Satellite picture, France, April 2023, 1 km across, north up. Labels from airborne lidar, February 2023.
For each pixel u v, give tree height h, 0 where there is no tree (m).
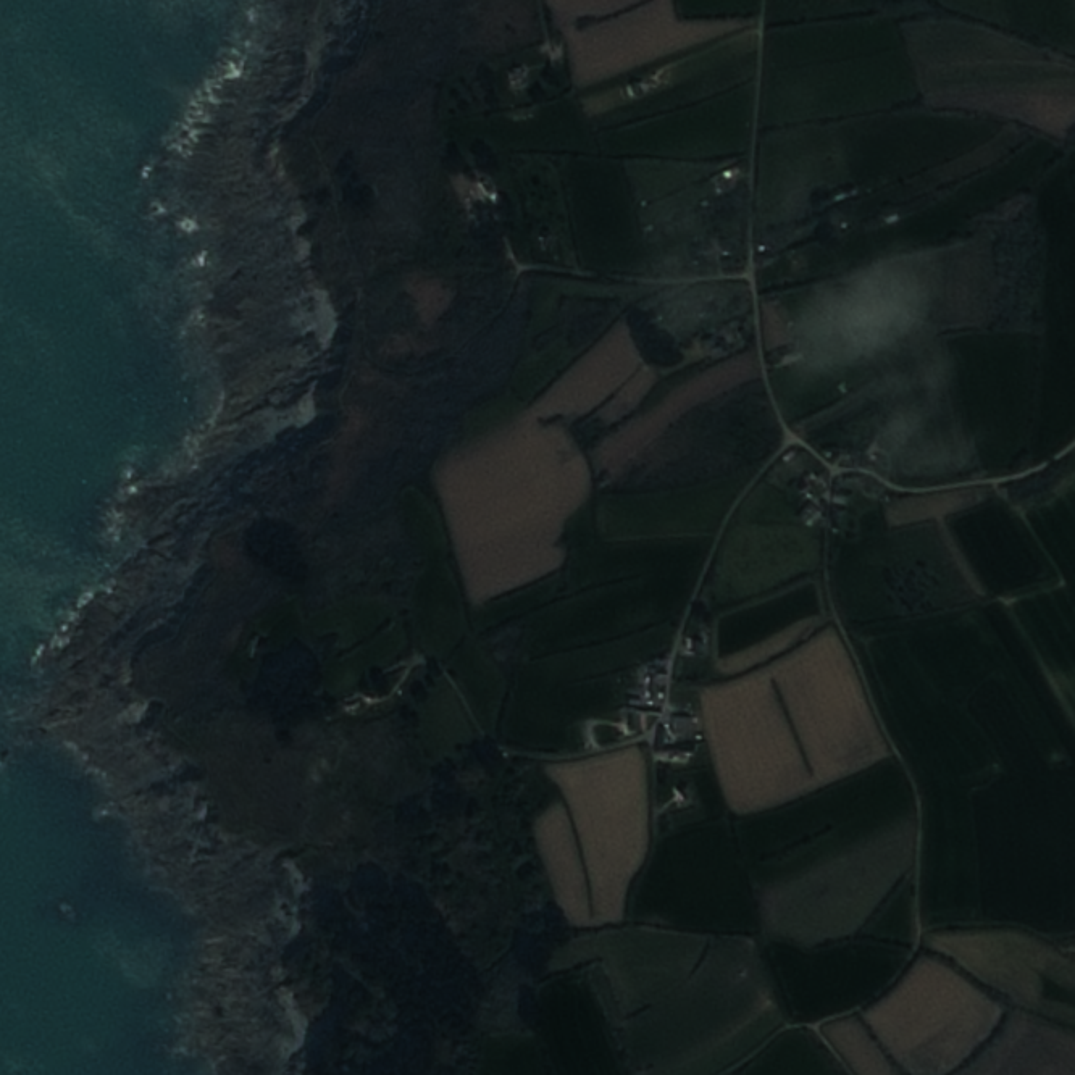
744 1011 0
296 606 0
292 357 0
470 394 0
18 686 0
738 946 0
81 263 0
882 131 0
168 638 0
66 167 0
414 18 0
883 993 7
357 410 0
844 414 0
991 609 0
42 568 0
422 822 17
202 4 0
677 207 0
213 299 0
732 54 0
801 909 0
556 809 0
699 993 0
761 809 0
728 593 0
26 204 0
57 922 0
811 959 0
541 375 0
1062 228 0
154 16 0
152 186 0
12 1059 0
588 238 0
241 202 0
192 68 0
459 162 17
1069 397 0
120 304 0
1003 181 0
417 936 26
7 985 0
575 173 0
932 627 0
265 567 18
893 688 0
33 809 0
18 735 0
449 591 0
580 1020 0
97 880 0
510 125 0
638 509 0
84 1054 0
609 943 0
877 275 0
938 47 0
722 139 0
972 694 0
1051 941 0
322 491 0
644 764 0
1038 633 0
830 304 0
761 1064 0
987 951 0
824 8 0
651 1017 0
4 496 0
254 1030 0
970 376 0
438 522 0
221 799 0
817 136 0
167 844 0
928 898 0
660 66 0
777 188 0
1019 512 0
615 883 0
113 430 0
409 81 0
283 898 0
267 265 0
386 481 0
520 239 0
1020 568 0
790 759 0
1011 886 0
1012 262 8
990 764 0
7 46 0
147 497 0
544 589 0
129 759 0
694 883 0
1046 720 0
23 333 0
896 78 0
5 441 0
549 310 0
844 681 0
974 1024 0
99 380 0
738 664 0
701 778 0
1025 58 0
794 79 0
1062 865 0
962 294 0
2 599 0
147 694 0
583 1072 0
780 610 0
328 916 19
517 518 0
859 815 0
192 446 0
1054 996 0
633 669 0
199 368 0
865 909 0
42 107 0
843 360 0
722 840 0
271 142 0
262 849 0
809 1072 0
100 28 0
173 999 0
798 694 0
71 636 0
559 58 0
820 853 0
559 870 0
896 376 0
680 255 0
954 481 0
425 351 0
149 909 0
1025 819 0
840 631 0
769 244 7
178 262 0
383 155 0
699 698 0
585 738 0
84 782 0
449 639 0
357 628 0
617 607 0
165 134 0
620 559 0
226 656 0
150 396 0
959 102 0
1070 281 0
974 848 0
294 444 0
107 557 0
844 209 9
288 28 0
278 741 8
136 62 0
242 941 0
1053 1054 0
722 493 0
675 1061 0
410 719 10
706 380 0
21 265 0
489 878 9
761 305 0
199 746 0
